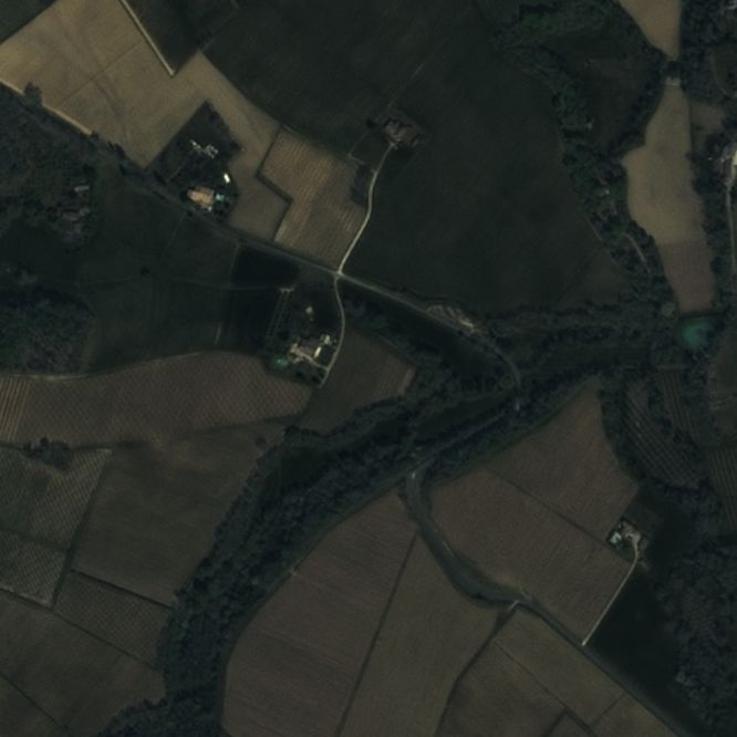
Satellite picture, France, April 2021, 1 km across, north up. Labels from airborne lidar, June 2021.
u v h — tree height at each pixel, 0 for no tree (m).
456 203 0
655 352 22
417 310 0
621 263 16
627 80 0
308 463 0
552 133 0
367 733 0
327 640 0
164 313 0
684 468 22
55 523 0
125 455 0
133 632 0
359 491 27
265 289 0
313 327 0
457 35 0
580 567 0
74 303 18
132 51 0
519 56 15
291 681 0
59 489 0
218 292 0
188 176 8
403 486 15
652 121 0
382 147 0
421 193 0
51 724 0
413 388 11
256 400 0
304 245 0
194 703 19
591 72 0
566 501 0
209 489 0
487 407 0
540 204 0
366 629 0
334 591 0
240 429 0
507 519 0
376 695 0
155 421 0
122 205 0
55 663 0
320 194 0
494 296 0
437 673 0
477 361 0
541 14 16
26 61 0
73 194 9
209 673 18
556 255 0
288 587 0
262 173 0
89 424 0
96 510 0
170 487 0
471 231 0
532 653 0
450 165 0
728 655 20
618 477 0
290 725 0
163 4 0
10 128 20
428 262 0
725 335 14
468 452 19
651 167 0
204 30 0
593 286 0
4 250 0
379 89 0
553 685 0
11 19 0
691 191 0
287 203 0
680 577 19
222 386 0
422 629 0
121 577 0
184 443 0
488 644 0
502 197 0
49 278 0
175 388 0
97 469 0
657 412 18
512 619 0
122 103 0
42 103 13
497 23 0
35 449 16
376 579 0
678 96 0
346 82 0
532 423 17
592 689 0
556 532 0
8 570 0
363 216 0
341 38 0
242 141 0
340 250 0
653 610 0
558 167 0
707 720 7
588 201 17
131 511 0
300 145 0
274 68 0
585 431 0
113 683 0
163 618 0
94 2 0
